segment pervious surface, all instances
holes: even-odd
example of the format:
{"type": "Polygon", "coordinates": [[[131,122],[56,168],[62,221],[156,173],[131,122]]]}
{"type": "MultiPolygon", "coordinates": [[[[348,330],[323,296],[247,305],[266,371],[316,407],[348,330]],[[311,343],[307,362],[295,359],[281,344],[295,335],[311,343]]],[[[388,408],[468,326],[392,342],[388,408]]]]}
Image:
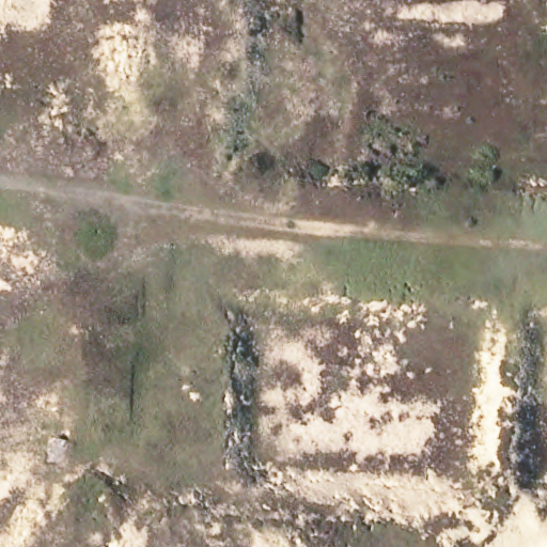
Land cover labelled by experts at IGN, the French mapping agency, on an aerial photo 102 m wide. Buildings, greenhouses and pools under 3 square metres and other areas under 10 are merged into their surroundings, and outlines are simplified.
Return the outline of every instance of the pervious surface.
{"type": "Polygon", "coordinates": [[[216,310],[222,323],[229,327],[222,363],[229,365],[229,380],[233,391],[233,410],[224,415],[224,470],[233,470],[235,466],[239,470],[241,483],[252,485],[250,496],[259,496],[265,491],[274,491],[276,496],[295,494],[316,504],[331,504],[338,498],[346,498],[353,489],[359,489],[365,496],[365,504],[374,511],[380,511],[382,498],[389,498],[393,519],[402,526],[417,528],[423,526],[423,521],[429,517],[436,517],[440,513],[453,513],[457,517],[457,528],[442,530],[438,534],[440,547],[547,547],[547,308],[541,312],[530,310],[526,306],[521,308],[521,335],[511,329],[506,331],[506,325],[500,321],[494,301],[487,301],[485,308],[474,310],[472,321],[464,321],[457,314],[444,314],[438,308],[425,310],[425,306],[421,303],[391,306],[389,301],[363,301],[359,321],[350,321],[348,312],[340,312],[338,318],[329,318],[323,312],[312,314],[306,308],[297,312],[282,312],[276,301],[250,301],[244,308],[239,303],[222,301],[216,306],[216,310]]]}
{"type": "Polygon", "coordinates": [[[120,94],[126,100],[137,98],[141,94],[137,81],[139,71],[152,71],[158,62],[154,51],[154,36],[158,21],[150,13],[137,11],[128,24],[103,26],[98,30],[100,45],[92,49],[92,56],[100,60],[98,75],[105,79],[107,88],[113,94],[120,94]]]}
{"type": "Polygon", "coordinates": [[[547,241],[511,239],[511,248],[547,252],[547,241]]]}
{"type": "Polygon", "coordinates": [[[0,188],[38,192],[43,197],[53,197],[58,201],[75,199],[85,209],[96,209],[107,199],[115,205],[124,205],[128,214],[179,216],[233,226],[254,226],[325,237],[355,235],[419,244],[442,244],[444,235],[432,229],[404,231],[378,222],[338,224],[321,220],[297,220],[295,226],[286,226],[286,218],[276,218],[276,212],[288,212],[286,203],[280,201],[267,201],[263,214],[252,214],[220,207],[207,209],[203,205],[186,205],[179,201],[162,201],[150,197],[132,197],[122,194],[118,190],[66,186],[60,182],[47,186],[30,177],[0,175],[0,188]]]}
{"type": "Polygon", "coordinates": [[[47,26],[49,0],[0,0],[0,26],[13,24],[15,30],[36,30],[41,26],[47,26]]]}
{"type": "Polygon", "coordinates": [[[60,485],[53,485],[51,502],[43,509],[38,506],[38,500],[45,496],[45,485],[30,474],[30,453],[6,453],[9,466],[6,470],[0,470],[0,500],[6,498],[13,487],[26,494],[26,504],[15,509],[6,534],[0,534],[0,547],[28,547],[34,543],[32,538],[41,532],[45,523],[56,519],[58,511],[64,504],[64,489],[60,485]]]}

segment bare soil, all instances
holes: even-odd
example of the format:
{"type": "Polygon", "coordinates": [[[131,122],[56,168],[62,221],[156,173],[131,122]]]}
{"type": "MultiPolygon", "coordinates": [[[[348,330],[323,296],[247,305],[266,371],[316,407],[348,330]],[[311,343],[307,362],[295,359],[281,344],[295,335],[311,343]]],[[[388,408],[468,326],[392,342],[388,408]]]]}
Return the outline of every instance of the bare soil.
{"type": "Polygon", "coordinates": [[[218,9],[222,11],[222,19],[233,24],[233,28],[226,34],[229,41],[222,51],[226,62],[233,62],[237,56],[244,56],[248,51],[248,30],[254,26],[254,17],[244,19],[244,9],[231,6],[229,0],[220,0],[218,9]]]}
{"type": "Polygon", "coordinates": [[[338,511],[340,521],[348,521],[355,509],[365,515],[365,521],[393,519],[389,498],[382,498],[380,511],[374,511],[365,504],[365,496],[359,489],[353,489],[346,498],[338,498],[331,504],[338,511]]]}
{"type": "Polygon", "coordinates": [[[288,280],[286,291],[246,291],[237,297],[239,303],[244,308],[250,301],[276,301],[282,312],[297,312],[306,308],[312,314],[323,312],[329,318],[338,318],[340,312],[348,312],[350,299],[333,291],[333,284],[329,282],[327,274],[314,265],[314,254],[306,246],[274,239],[237,239],[226,235],[212,235],[209,246],[224,254],[274,254],[280,259],[278,276],[282,280],[288,280]]]}
{"type": "Polygon", "coordinates": [[[547,241],[547,177],[528,179],[523,188],[521,216],[513,220],[496,216],[494,224],[481,235],[479,246],[483,248],[511,248],[511,239],[547,241]]]}
{"type": "Polygon", "coordinates": [[[203,45],[190,36],[173,34],[171,47],[175,49],[175,58],[186,60],[190,68],[197,68],[203,45]]]}
{"type": "Polygon", "coordinates": [[[100,60],[92,56],[92,49],[100,45],[98,30],[103,26],[128,24],[137,11],[150,13],[154,11],[156,0],[49,0],[47,26],[41,26],[36,30],[15,30],[13,24],[0,26],[0,141],[4,139],[4,132],[11,124],[21,122],[28,115],[38,115],[41,124],[62,128],[62,122],[75,126],[75,120],[81,120],[85,115],[96,124],[96,132],[105,143],[115,137],[132,137],[137,141],[143,135],[150,135],[150,130],[154,130],[156,126],[156,113],[147,109],[141,94],[137,98],[126,100],[120,94],[113,94],[107,88],[105,79],[98,75],[100,60]]]}
{"type": "Polygon", "coordinates": [[[436,34],[434,41],[438,41],[444,47],[464,47],[464,36],[436,34]]]}
{"type": "Polygon", "coordinates": [[[60,295],[66,291],[68,280],[66,271],[56,267],[53,254],[47,254],[45,250],[32,252],[32,239],[28,237],[28,231],[13,231],[0,226],[0,470],[6,470],[9,466],[6,453],[30,453],[30,474],[45,485],[45,496],[38,500],[38,506],[43,509],[51,502],[53,485],[60,485],[64,489],[64,504],[68,502],[73,506],[73,523],[81,523],[81,519],[90,511],[105,515],[105,506],[100,502],[109,498],[115,517],[124,523],[122,538],[111,541],[109,547],[182,547],[179,543],[171,541],[167,509],[160,509],[158,500],[154,500],[150,494],[139,498],[135,487],[126,483],[124,474],[118,481],[113,481],[109,476],[111,470],[105,462],[98,464],[96,472],[90,472],[83,470],[83,466],[77,459],[66,457],[64,440],[66,436],[71,436],[75,425],[75,408],[71,402],[71,395],[75,393],[73,380],[56,380],[49,389],[51,393],[47,393],[47,387],[38,378],[24,378],[6,370],[9,348],[2,348],[4,331],[17,327],[17,323],[24,323],[28,316],[34,316],[38,310],[49,308],[49,303],[60,306],[60,295]]]}
{"type": "Polygon", "coordinates": [[[6,498],[0,500],[0,534],[6,534],[15,509],[26,504],[26,494],[13,487],[6,498]]]}
{"type": "Polygon", "coordinates": [[[226,491],[222,504],[218,506],[207,502],[207,498],[203,498],[203,491],[199,491],[194,485],[179,496],[179,502],[188,504],[188,513],[184,515],[184,519],[179,519],[179,532],[188,536],[190,530],[197,530],[203,536],[203,543],[207,543],[209,547],[229,547],[229,541],[218,541],[222,515],[241,515],[241,523],[235,523],[235,534],[239,545],[248,547],[306,547],[297,532],[271,528],[271,519],[288,519],[288,511],[282,509],[271,515],[265,515],[263,509],[269,509],[269,504],[261,504],[259,496],[250,496],[252,485],[241,483],[216,481],[216,487],[226,491]]]}
{"type": "Polygon", "coordinates": [[[515,4],[515,0],[462,0],[451,4],[402,6],[400,19],[440,19],[464,24],[496,21],[509,6],[515,4]]]}

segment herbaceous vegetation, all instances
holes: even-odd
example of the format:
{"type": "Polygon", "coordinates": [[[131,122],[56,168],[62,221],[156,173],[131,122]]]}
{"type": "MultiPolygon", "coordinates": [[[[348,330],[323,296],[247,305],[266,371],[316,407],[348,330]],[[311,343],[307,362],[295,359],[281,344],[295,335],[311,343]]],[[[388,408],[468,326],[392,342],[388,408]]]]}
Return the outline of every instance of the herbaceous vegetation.
{"type": "Polygon", "coordinates": [[[218,506],[222,504],[226,491],[216,487],[216,481],[241,483],[239,470],[235,466],[233,470],[224,470],[224,415],[233,410],[233,391],[229,380],[229,365],[222,363],[229,327],[222,323],[216,310],[216,306],[222,301],[239,303],[237,297],[246,291],[286,291],[288,280],[282,280],[278,276],[280,259],[274,254],[224,254],[209,246],[212,235],[226,235],[237,239],[274,239],[306,246],[314,254],[314,265],[327,274],[329,282],[333,284],[333,291],[350,299],[348,312],[350,321],[359,321],[363,301],[389,301],[391,306],[421,303],[425,306],[425,310],[438,308],[444,314],[457,314],[464,321],[472,321],[474,310],[485,308],[487,301],[494,301],[500,321],[506,325],[506,331],[511,329],[521,335],[521,308],[526,306],[530,310],[541,312],[547,308],[547,252],[511,248],[483,248],[479,246],[481,235],[494,224],[496,216],[513,220],[521,216],[523,188],[528,179],[547,177],[547,0],[515,0],[515,4],[509,6],[496,21],[464,24],[440,19],[400,19],[402,6],[451,4],[462,0],[229,0],[231,6],[244,9],[244,19],[254,17],[254,26],[248,30],[248,51],[244,56],[237,56],[233,62],[226,62],[222,51],[229,41],[226,34],[233,28],[233,24],[222,19],[222,11],[218,9],[220,0],[156,0],[154,11],[150,13],[158,21],[154,36],[154,51],[158,62],[152,71],[139,71],[137,81],[141,94],[147,109],[156,113],[156,126],[154,130],[150,130],[150,135],[143,135],[137,141],[132,137],[115,137],[105,143],[96,132],[96,124],[85,115],[81,120],[75,120],[75,126],[62,122],[62,128],[41,124],[38,115],[28,115],[21,122],[11,124],[4,132],[4,139],[0,141],[0,175],[30,177],[47,186],[60,182],[66,186],[118,190],[122,194],[132,197],[150,197],[162,201],[179,201],[186,205],[203,205],[207,209],[220,207],[252,214],[263,214],[267,201],[280,201],[286,203],[288,212],[276,212],[276,218],[286,218],[286,226],[295,226],[297,220],[321,220],[338,224],[378,222],[404,231],[432,229],[444,235],[442,244],[419,244],[355,235],[325,237],[254,226],[233,226],[179,216],[128,214],[124,205],[115,205],[107,199],[96,209],[85,209],[75,199],[58,201],[53,197],[43,197],[38,192],[0,188],[0,226],[13,231],[28,231],[28,237],[32,239],[32,252],[45,250],[47,254],[53,254],[56,267],[66,271],[68,280],[66,291],[60,295],[60,306],[49,303],[49,308],[38,310],[34,316],[28,316],[24,323],[17,323],[17,327],[4,331],[2,348],[9,348],[6,370],[24,378],[38,378],[47,387],[47,393],[51,393],[49,389],[56,380],[73,380],[75,393],[71,395],[71,402],[75,408],[75,425],[71,436],[66,436],[64,440],[66,457],[77,459],[83,466],[83,470],[90,472],[96,472],[98,464],[105,462],[111,470],[109,476],[113,481],[118,481],[124,474],[126,483],[135,487],[139,498],[150,494],[154,500],[158,500],[160,509],[167,509],[171,541],[179,543],[182,547],[209,547],[207,543],[203,543],[203,536],[197,530],[190,530],[188,536],[179,532],[179,519],[184,519],[184,515],[188,513],[188,504],[179,502],[179,496],[194,485],[199,491],[203,491],[203,498],[207,498],[207,502],[218,506]],[[190,68],[186,60],[175,58],[175,49],[171,47],[173,34],[190,36],[203,45],[197,68],[190,68]],[[438,41],[434,41],[436,34],[464,36],[464,47],[444,47],[438,41]]]}
{"type": "Polygon", "coordinates": [[[438,534],[442,530],[457,528],[457,517],[453,513],[440,513],[436,517],[429,517],[423,521],[423,526],[417,528],[402,526],[393,519],[365,521],[365,515],[355,509],[348,521],[340,521],[338,511],[331,504],[316,504],[295,494],[276,496],[274,491],[265,491],[259,496],[261,504],[269,504],[269,509],[263,509],[265,515],[271,515],[282,509],[288,511],[288,519],[271,519],[271,528],[297,532],[306,547],[440,547],[438,534]]]}
{"type": "Polygon", "coordinates": [[[248,547],[239,545],[235,534],[235,523],[241,523],[241,515],[222,515],[218,541],[229,541],[229,547],[248,547]]]}
{"type": "Polygon", "coordinates": [[[28,547],[109,547],[111,541],[122,538],[124,523],[115,517],[109,498],[100,502],[105,506],[105,515],[90,511],[81,519],[81,523],[73,523],[73,506],[68,502],[64,504],[58,511],[56,519],[45,523],[41,532],[32,538],[34,543],[28,547]]]}

